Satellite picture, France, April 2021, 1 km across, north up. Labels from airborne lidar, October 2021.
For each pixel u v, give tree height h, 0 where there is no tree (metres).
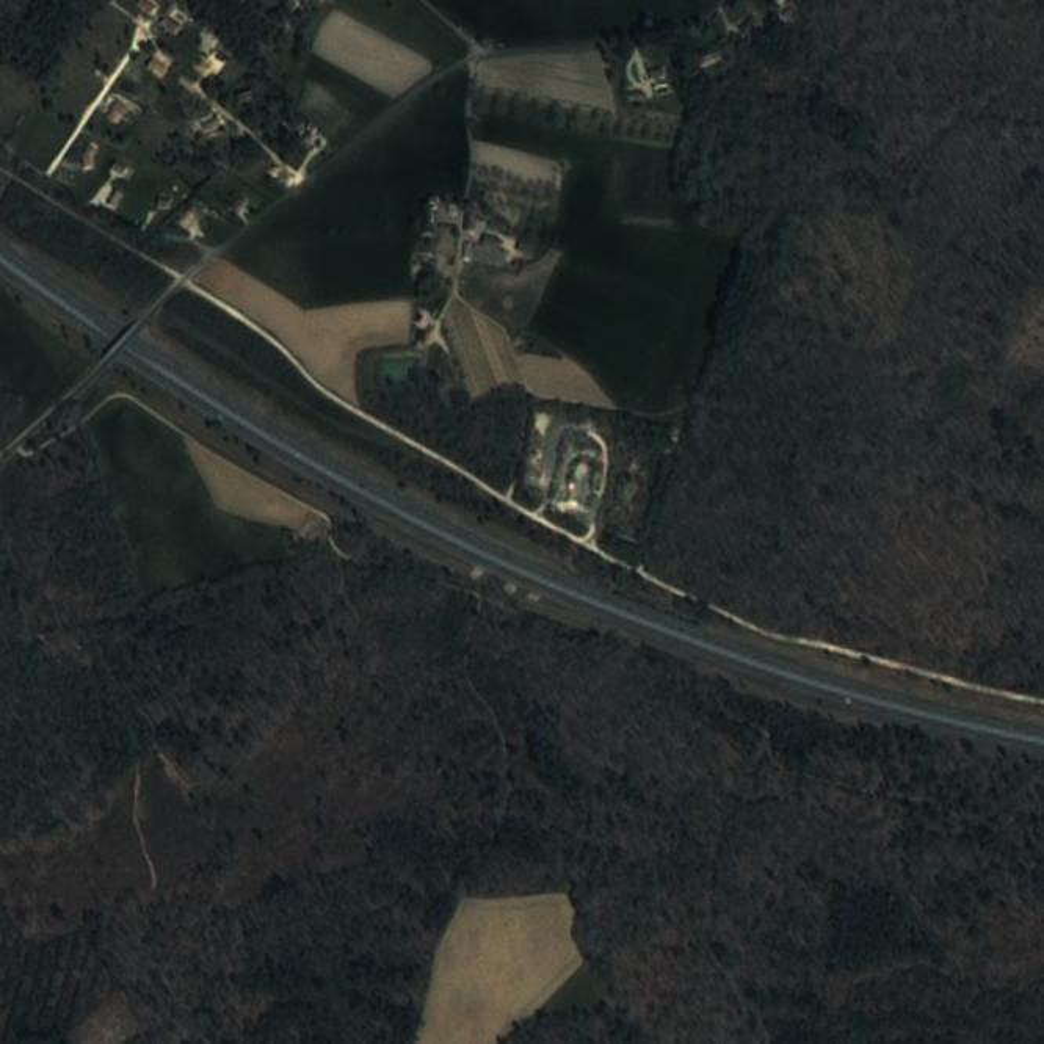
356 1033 18
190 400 0
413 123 0
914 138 10
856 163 17
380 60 0
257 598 12
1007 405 9
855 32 8
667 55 21
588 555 15
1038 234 16
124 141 11
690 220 0
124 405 0
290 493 0
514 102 9
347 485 0
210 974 8
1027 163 17
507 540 0
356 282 0
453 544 0
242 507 0
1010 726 0
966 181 15
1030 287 23
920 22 11
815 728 8
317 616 11
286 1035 9
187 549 0
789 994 18
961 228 18
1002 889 16
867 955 25
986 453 9
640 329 0
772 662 0
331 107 0
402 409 11
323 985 11
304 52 12
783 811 11
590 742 15
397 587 13
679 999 15
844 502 22
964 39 11
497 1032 0
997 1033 7
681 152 15
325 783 18
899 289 17
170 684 18
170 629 21
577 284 0
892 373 22
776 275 18
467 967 0
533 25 0
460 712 6
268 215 0
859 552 16
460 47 0
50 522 8
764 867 15
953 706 0
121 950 12
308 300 0
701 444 20
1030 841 14
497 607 18
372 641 9
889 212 15
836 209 21
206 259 0
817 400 20
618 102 0
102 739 19
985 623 20
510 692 8
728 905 8
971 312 15
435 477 6
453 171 0
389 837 17
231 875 15
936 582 20
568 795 9
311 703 17
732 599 19
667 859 10
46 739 18
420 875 16
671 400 0
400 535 0
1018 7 10
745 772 13
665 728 15
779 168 14
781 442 24
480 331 0
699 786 11
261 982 15
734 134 14
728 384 19
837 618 16
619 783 13
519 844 16
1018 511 14
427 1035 0
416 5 0
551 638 13
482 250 0
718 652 0
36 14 17
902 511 20
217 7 12
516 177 6
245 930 13
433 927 14
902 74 12
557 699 17
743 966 16
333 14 0
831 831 10
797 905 11
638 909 20
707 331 0
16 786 13
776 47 21
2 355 0
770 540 23
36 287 0
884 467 16
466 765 6
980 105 18
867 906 26
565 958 0
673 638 0
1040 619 16
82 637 17
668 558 17
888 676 0
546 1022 14
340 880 15
